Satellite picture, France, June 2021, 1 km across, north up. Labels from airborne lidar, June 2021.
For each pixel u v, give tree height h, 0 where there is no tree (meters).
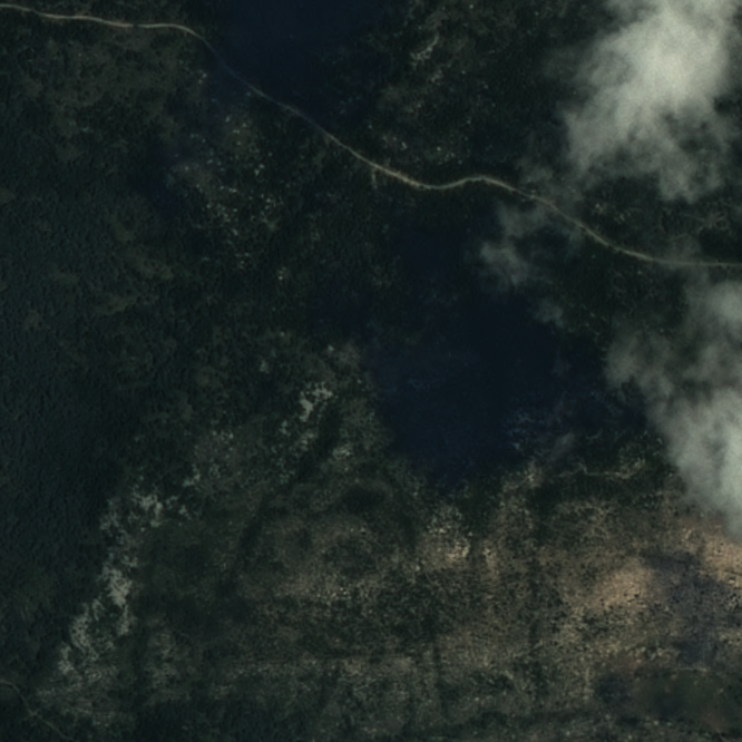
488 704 0
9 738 11
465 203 7
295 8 7
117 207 8
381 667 0
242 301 7
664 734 0
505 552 0
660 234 7
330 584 0
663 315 7
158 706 8
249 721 8
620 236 7
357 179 8
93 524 7
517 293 6
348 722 8
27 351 11
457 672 0
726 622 0
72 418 11
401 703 0
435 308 5
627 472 0
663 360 8
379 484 0
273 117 6
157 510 0
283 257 7
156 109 0
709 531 0
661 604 0
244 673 0
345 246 10
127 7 5
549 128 6
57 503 14
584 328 6
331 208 8
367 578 0
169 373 11
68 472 11
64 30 6
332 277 6
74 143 8
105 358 10
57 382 10
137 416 9
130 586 0
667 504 0
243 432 0
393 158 7
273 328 7
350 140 9
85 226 10
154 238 9
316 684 0
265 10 7
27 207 10
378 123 6
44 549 8
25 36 7
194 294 10
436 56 6
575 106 5
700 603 0
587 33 6
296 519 0
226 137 0
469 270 8
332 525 0
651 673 0
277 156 6
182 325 10
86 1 9
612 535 0
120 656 0
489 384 7
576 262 7
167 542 0
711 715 0
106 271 10
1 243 13
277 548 0
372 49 7
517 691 0
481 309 8
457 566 0
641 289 10
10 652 7
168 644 0
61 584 6
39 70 12
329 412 6
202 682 9
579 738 0
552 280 6
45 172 9
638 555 0
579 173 6
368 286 9
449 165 6
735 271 9
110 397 10
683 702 0
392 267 6
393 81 8
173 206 10
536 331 6
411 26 8
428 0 6
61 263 7
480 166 6
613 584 0
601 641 0
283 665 0
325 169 10
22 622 9
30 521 11
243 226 6
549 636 0
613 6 9
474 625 0
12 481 9
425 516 0
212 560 0
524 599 0
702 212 6
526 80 7
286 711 0
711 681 0
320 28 5
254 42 6
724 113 7
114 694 8
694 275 8
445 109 7
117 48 7
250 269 10
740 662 0
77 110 6
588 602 0
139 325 7
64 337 8
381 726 0
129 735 8
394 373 0
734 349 8
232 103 0
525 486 0
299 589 0
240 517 0
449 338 6
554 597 0
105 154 8
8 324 11
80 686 0
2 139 9
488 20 6
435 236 7
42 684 0
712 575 0
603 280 10
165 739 6
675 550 0
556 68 6
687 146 10
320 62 6
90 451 8
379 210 6
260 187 6
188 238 8
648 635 0
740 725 0
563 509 0
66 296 6
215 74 0
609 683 0
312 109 9
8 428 12
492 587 0
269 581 0
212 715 8
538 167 7
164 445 6
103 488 8
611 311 8
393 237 7
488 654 0
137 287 7
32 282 10
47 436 9
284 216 6
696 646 0
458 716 0
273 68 7
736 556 0
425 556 0
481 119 7
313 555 0
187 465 7
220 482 0
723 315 7
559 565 0
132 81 0
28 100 6
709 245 7
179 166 0
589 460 6
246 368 6
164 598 10
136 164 10
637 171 12
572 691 0
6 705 8
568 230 7
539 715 0
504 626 0
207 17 7
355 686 0
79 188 10
